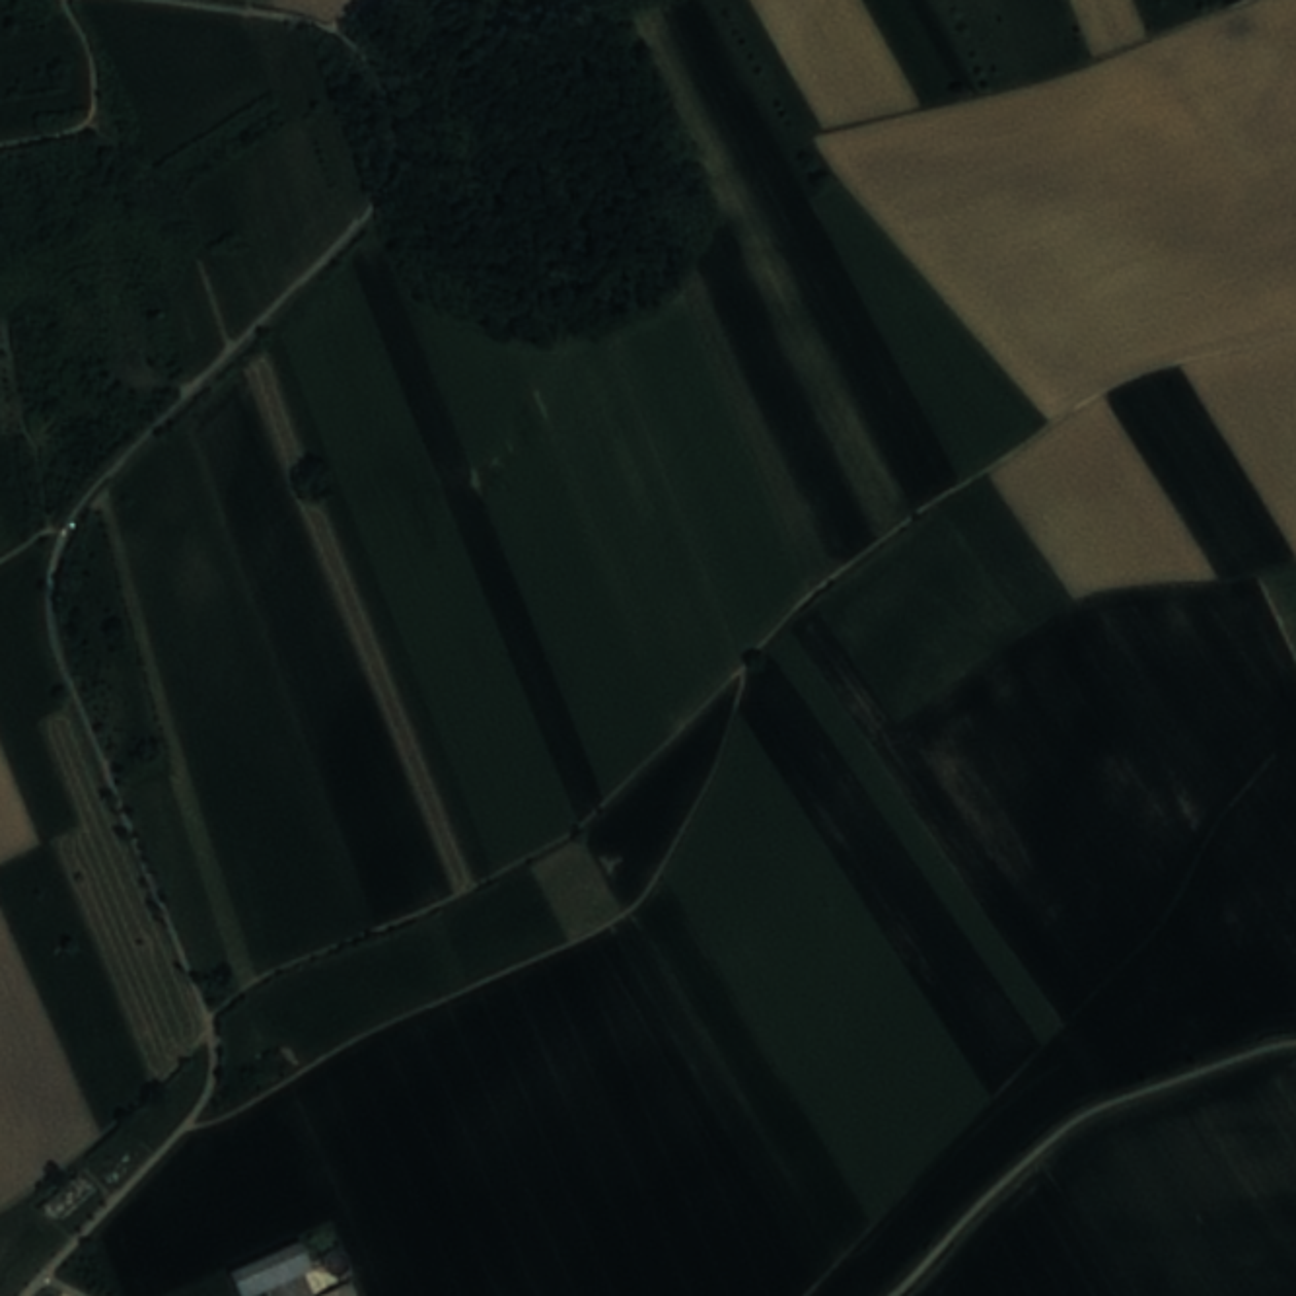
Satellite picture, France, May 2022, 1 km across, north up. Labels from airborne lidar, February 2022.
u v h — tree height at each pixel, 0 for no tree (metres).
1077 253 0
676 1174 0
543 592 0
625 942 0
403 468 0
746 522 0
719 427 0
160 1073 0
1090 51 0
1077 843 0
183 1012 0
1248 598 0
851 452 0
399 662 0
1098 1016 0
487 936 0
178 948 0
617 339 0
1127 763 0
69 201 9
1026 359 0
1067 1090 0
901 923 0
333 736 0
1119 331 0
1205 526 0
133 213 8
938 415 0
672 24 0
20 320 8
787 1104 0
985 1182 0
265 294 0
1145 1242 0
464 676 0
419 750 0
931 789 0
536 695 0
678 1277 0
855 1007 0
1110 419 0
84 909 0
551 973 0
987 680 0
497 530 0
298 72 0
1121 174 0
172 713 0
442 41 25
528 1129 0
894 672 0
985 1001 0
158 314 6
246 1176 0
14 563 0
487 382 0
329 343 0
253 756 0
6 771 0
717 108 0
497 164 27
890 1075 0
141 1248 0
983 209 0
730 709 0
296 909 0
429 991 0
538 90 30
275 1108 0
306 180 0
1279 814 0
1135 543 0
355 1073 0
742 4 0
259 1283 0
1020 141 0
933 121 0
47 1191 9
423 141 24
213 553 0
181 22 0
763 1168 0
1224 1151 0
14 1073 0
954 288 0
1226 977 0
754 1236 0
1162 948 0
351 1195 0
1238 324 0
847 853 0
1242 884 0
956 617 0
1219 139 0
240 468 0
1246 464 0
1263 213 0
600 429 0
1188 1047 0
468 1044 0
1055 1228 0
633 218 25
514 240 25
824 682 0
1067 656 0
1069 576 0
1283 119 0
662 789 0
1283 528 0
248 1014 0
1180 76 0
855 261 0
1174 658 0
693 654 0
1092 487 0
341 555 0
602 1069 0
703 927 0
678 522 0
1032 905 0
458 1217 0
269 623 0
